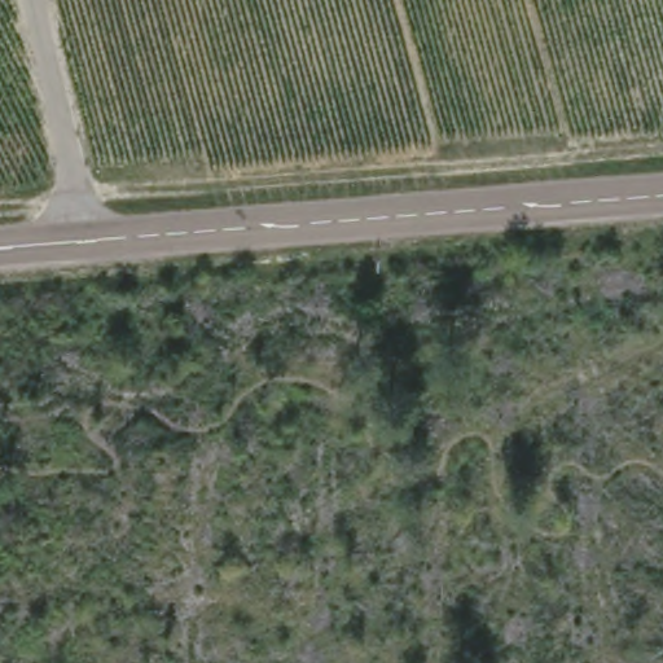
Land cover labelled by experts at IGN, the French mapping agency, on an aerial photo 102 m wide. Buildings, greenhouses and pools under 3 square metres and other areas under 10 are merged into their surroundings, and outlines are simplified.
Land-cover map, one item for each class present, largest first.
<instances>
[{"label":"coniferous trees","instance_id":"1","mask_svg":"<svg viewBox=\"0 0 663 663\"><path fill-rule=\"evenodd\" d=\"M254 264L246 272H238L230 280L202 275L197 280L194 295L184 300V308L197 321H202L207 311L202 300L241 298L243 313L230 321V329L236 332V350H223V363L238 365V391L223 412H210L199 407L192 412L189 422H176L168 414H163L161 422L148 409H135V401L171 396L174 386L153 381L145 388L122 391L104 383L101 420H93L88 407L75 404H60L52 412H41V404H47L52 396H23L16 404L10 401L8 422H13L16 427L8 438L0 440V663H663V225L650 228L647 223H616L578 228H528L526 218H515L508 225V230L497 236H433L420 238L417 249L399 251L386 241L251 251ZM65 363L75 368V373H57L54 386L60 391H93L98 373L83 365L80 355L65 352Z\"/></svg>","mask_w":663,"mask_h":663},{"label":"vineyard","instance_id":"2","mask_svg":"<svg viewBox=\"0 0 663 663\"><path fill-rule=\"evenodd\" d=\"M18 13L13 0H0V197L28 199L44 194L54 184V171L49 166L39 101L31 88V75L26 67V44L16 28ZM60 13V44L65 52L78 111L85 127V150L98 155L132 158L207 150L212 166H241L355 150L383 153L407 145H427L430 150L440 153V158L521 155L562 150L567 140H572L575 135H606L619 129H647L653 135V142H663V0H54Z\"/></svg>","mask_w":663,"mask_h":663},{"label":"impervious surface","instance_id":"3","mask_svg":"<svg viewBox=\"0 0 663 663\"><path fill-rule=\"evenodd\" d=\"M18 13L16 28L26 44V67L31 75V88L39 101L49 166L54 171V184L44 194L28 199V215L23 223L0 225V275H57L62 267L104 269L106 264L168 262L176 256L251 251L386 241L399 251L417 249L420 238L433 236H497L508 230V225L515 218H526L528 228H578L616 223H647L650 228L663 225V171L122 215L109 210L106 202L127 199L129 192L119 184L96 181L91 168L85 166V127L78 111L65 52L60 44V13L54 0H13Z\"/></svg>","mask_w":663,"mask_h":663},{"label":"deciduous trees","instance_id":"4","mask_svg":"<svg viewBox=\"0 0 663 663\"><path fill-rule=\"evenodd\" d=\"M254 264L251 251L176 256L168 262L106 264L104 269L62 267L57 275H0V440L8 438L16 427L13 422H8L10 401L16 404L23 396H52L47 404H41V412H52L60 404H75L88 407L93 420H101L104 383L122 391L145 388L153 381L174 386L171 396L135 401V409H148L161 422L163 414H168L176 422H189L192 412L199 407L210 412H223L238 391V365L223 363V350H236V332L230 329V321L243 313L241 298L202 300L207 311L202 321H197L184 308V300L194 295L197 280L202 275L230 280L238 272H246ZM65 352L80 355L83 365L98 373L93 391H60L54 386L57 373H75V368L65 363Z\"/></svg>","mask_w":663,"mask_h":663},{"label":"herbaceous vegetation","instance_id":"5","mask_svg":"<svg viewBox=\"0 0 663 663\"><path fill-rule=\"evenodd\" d=\"M85 166L91 168L96 181L119 184L129 192L127 199L106 202L109 210L122 215L663 171V142H653V135L647 129H619L606 135H575L572 140H567L562 150L521 155L440 158V153L430 150L427 145H407L383 153L355 150L241 166H212L207 150L132 158L98 155L85 150ZM28 215V199L0 197V225L23 223Z\"/></svg>","mask_w":663,"mask_h":663}]
</instances>
